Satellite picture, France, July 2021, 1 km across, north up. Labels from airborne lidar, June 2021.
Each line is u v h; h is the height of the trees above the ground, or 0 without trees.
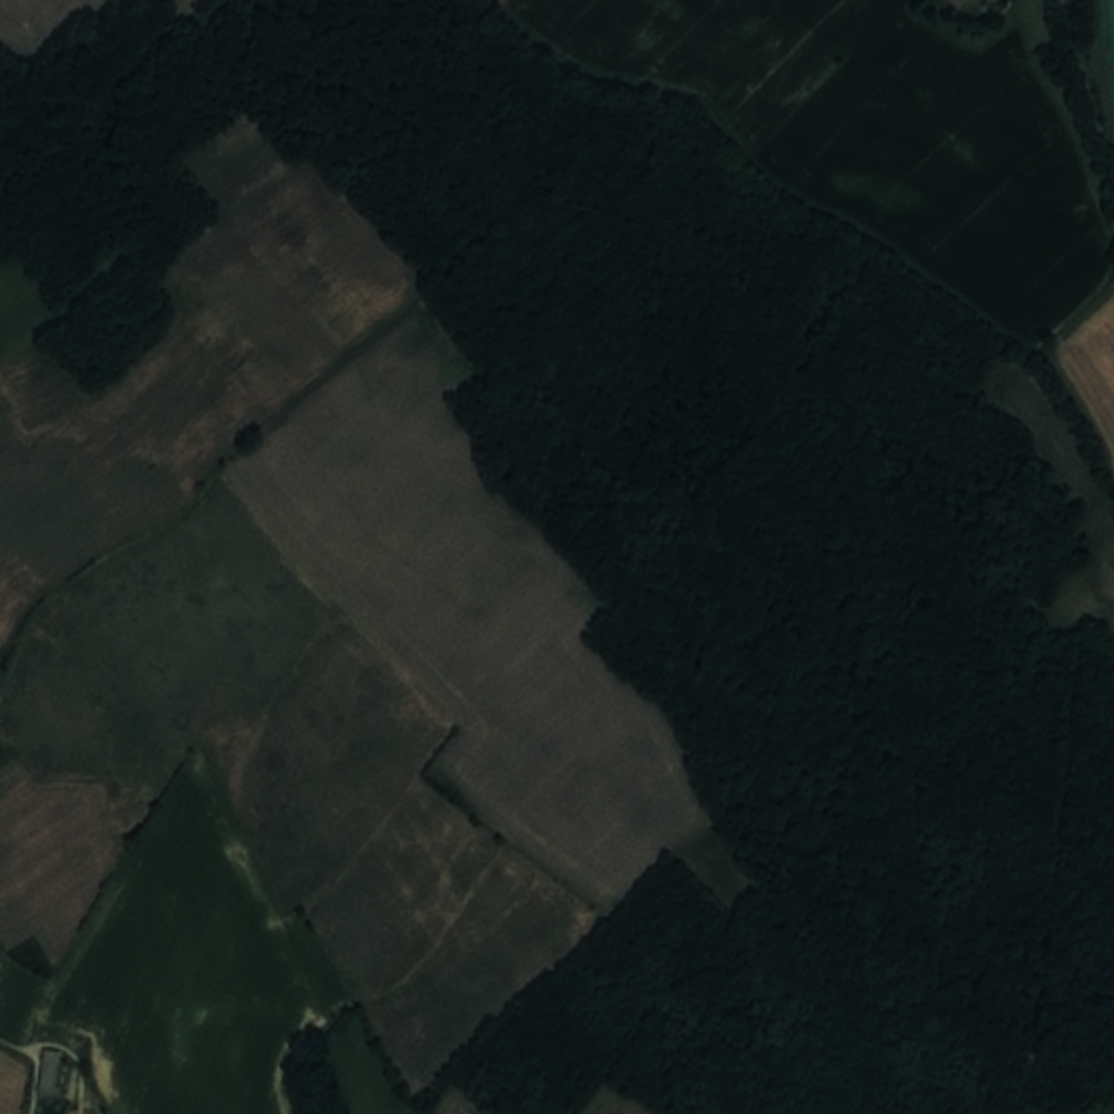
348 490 0
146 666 0
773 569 21
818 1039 16
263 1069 0
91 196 16
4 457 0
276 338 0
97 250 15
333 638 0
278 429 0
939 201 0
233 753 0
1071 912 26
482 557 0
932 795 30
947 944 21
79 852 0
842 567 23
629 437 23
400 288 0
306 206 0
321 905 0
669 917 11
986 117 0
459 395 13
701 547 27
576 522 23
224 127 17
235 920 0
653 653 21
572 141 22
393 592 0
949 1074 18
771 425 25
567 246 19
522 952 0
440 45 29
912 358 15
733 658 24
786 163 0
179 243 20
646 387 25
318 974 0
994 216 0
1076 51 14
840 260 18
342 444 0
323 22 29
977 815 23
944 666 28
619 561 20
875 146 0
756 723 23
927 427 23
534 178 20
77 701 0
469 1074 11
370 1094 0
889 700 27
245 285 0
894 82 0
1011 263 0
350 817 0
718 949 13
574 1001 9
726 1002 12
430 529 0
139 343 20
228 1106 0
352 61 26
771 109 0
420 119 25
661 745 0
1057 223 0
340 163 21
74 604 0
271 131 18
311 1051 19
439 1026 0
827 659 20
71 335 24
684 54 0
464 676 0
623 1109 0
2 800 0
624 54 0
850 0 0
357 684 0
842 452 25
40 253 14
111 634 0
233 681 0
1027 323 0
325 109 20
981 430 21
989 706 29
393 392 0
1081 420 18
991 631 23
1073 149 0
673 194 24
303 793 0
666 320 32
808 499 23
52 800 0
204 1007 0
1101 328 0
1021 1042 17
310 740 0
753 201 23
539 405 26
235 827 0
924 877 23
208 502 0
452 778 0
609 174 27
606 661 16
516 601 0
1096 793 21
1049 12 13
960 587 25
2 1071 0
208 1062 0
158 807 11
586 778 0
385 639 0
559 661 0
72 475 0
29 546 0
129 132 29
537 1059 6
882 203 0
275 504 0
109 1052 0
